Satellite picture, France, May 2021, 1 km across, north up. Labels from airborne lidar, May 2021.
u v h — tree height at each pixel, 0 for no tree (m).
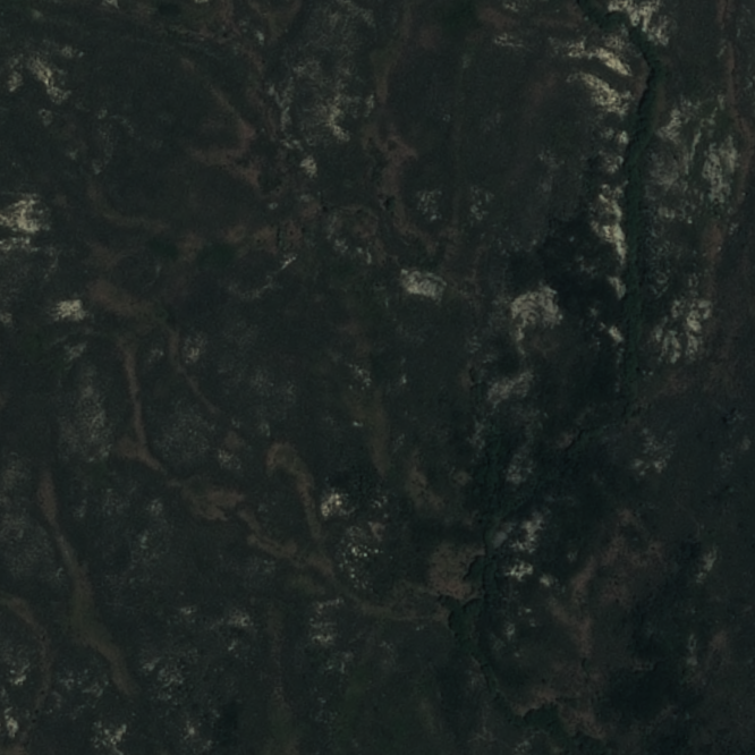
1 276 0
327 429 0
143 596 0
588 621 0
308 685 0
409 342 0
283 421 0
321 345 0
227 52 0
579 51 0
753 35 0
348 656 0
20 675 0
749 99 0
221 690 0
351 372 0
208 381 0
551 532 7
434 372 0
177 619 0
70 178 0
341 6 0
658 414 0
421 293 0
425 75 0
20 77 0
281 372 0
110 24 0
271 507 0
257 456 0
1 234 0
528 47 0
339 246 0
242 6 0
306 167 0
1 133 0
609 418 5
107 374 0
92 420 0
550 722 15
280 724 0
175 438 0
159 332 0
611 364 6
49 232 0
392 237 0
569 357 0
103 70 0
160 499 0
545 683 9
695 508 0
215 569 0
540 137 0
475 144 0
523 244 0
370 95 0
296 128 0
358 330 0
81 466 0
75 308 0
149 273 0
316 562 0
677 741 8
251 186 0
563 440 7
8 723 0
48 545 0
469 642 16
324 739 0
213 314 0
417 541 6
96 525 0
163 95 0
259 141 0
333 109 0
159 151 0
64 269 0
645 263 6
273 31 0
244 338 0
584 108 0
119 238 0
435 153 0
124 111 0
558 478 10
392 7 0
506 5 0
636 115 6
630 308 22
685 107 0
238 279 0
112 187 0
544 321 0
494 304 0
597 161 7
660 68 18
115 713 0
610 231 0
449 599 14
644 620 5
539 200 0
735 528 0
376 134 0
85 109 0
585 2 20
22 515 0
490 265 0
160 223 0
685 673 9
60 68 0
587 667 10
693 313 0
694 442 0
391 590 7
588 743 18
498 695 8
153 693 0
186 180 0
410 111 0
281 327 0
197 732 0
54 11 0
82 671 0
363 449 9
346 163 0
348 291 0
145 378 0
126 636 0
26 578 0
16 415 0
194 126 0
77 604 0
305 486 0
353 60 0
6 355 0
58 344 0
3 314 0
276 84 0
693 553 7
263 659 0
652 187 0
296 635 0
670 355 0
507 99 0
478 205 0
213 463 0
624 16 14
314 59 0
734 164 0
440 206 0
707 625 6
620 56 0
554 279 5
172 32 6
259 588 0
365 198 0
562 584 6
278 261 0
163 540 0
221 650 0
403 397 0
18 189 0
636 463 0
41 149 0
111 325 0
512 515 8
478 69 0
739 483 0
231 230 0
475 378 12
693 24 0
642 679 8
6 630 0
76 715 0
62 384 0
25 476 0
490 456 17
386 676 0
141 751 0
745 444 0
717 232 0
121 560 0
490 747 0
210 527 0
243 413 0
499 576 7
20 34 0
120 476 0
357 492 7
